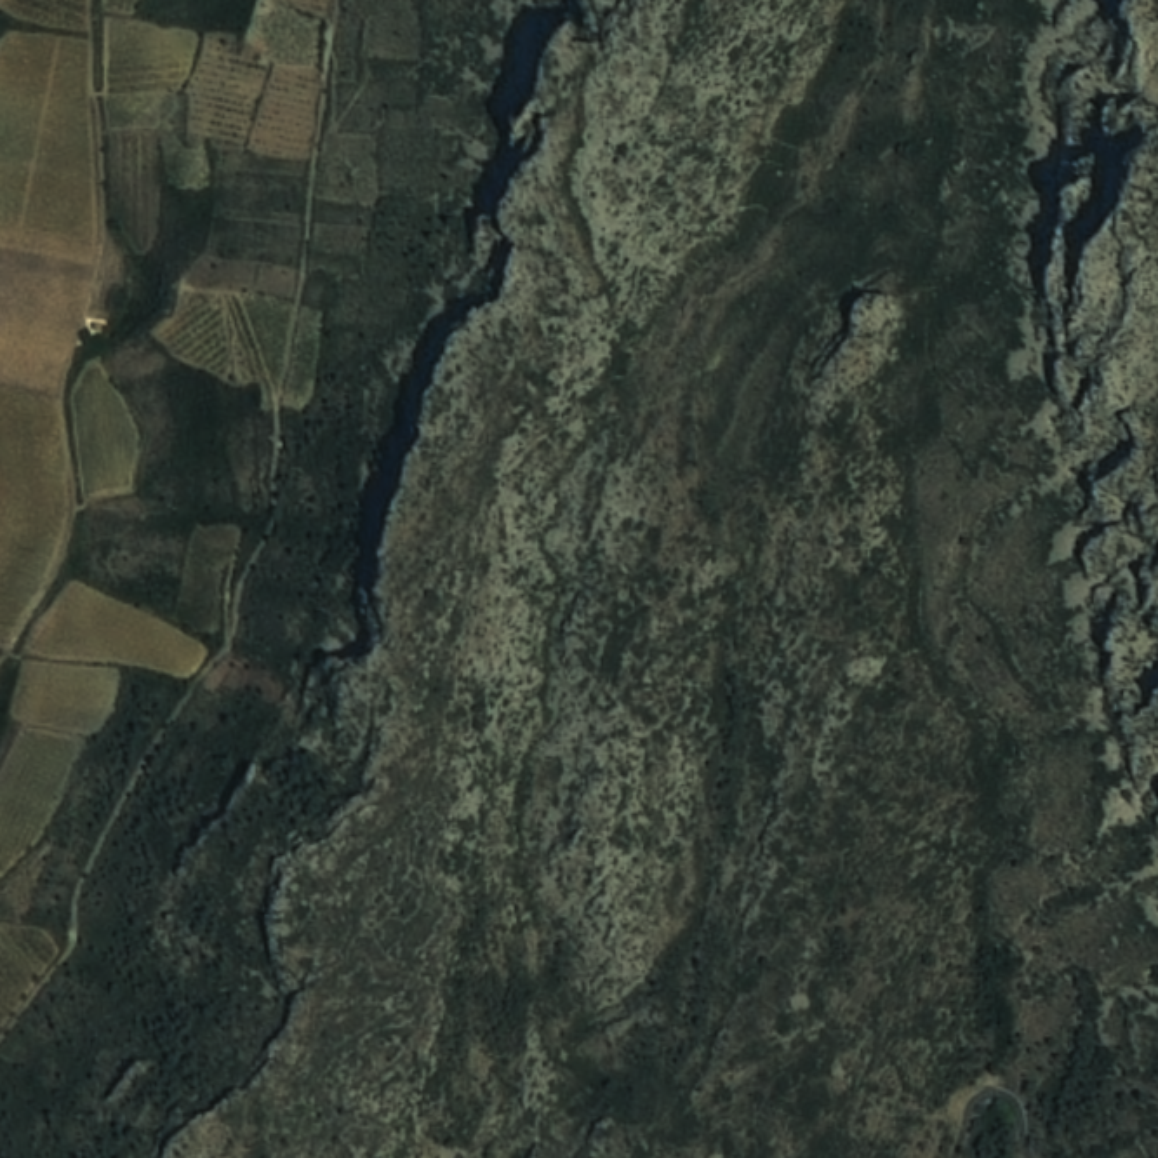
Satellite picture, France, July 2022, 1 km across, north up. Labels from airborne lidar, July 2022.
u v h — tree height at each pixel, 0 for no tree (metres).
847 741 0
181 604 0
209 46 0
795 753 0
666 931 0
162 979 8
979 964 12
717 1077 0
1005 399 0
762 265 0
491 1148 10
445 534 0
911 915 0
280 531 9
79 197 0
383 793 0
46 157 0
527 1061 0
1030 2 0
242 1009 9
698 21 0
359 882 0
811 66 0
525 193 0
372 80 0
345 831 0
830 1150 0
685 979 0
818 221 0
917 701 0
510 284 0
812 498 0
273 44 0
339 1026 0
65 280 0
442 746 0
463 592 0
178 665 0
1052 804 0
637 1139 0
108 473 0
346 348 0
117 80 0
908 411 0
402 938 0
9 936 0
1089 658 0
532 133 0
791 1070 0
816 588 0
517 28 0
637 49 0
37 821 0
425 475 0
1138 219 0
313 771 11
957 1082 9
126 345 0
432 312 0
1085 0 0
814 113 0
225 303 0
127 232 0
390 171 0
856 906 0
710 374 0
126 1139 5
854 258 0
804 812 0
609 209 0
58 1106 9
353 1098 0
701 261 0
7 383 0
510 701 0
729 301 0
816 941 0
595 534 0
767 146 0
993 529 0
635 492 0
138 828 11
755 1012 0
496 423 0
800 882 0
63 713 0
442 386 0
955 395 0
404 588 0
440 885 0
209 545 0
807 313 0
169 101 0
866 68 0
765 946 0
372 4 0
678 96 0
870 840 0
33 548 0
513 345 0
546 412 0
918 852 0
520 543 0
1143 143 0
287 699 0
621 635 0
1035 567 0
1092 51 0
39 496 0
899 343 0
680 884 0
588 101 0
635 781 0
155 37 0
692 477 0
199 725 11
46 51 0
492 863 0
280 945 0
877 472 0
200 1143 0
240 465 0
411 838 0
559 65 0
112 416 0
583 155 0
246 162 0
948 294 0
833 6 0
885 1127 0
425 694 0
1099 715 0
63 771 0
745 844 0
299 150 0
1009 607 0
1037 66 0
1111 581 0
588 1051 0
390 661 0
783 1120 0
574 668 0
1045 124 0
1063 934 0
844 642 0
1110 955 0
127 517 0
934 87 0
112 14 0
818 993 0
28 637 0
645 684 0
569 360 0
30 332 0
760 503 0
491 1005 8
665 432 0
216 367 0
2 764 0
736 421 0
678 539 0
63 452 0
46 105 0
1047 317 0
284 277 0
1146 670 0
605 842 0
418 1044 0
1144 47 0
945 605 0
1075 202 0
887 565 0
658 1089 0
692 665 0
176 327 0
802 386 0
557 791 0
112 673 0
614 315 0
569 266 0
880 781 0
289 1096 0
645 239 0
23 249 0
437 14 0
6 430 0
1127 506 0
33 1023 0
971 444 0
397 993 0
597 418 0
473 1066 0
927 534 0
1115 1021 0
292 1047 0
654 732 0
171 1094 11
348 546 8
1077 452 0
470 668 0
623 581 0
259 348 0
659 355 0
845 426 0
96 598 0
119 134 0
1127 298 0
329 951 0
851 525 0
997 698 0
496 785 0
